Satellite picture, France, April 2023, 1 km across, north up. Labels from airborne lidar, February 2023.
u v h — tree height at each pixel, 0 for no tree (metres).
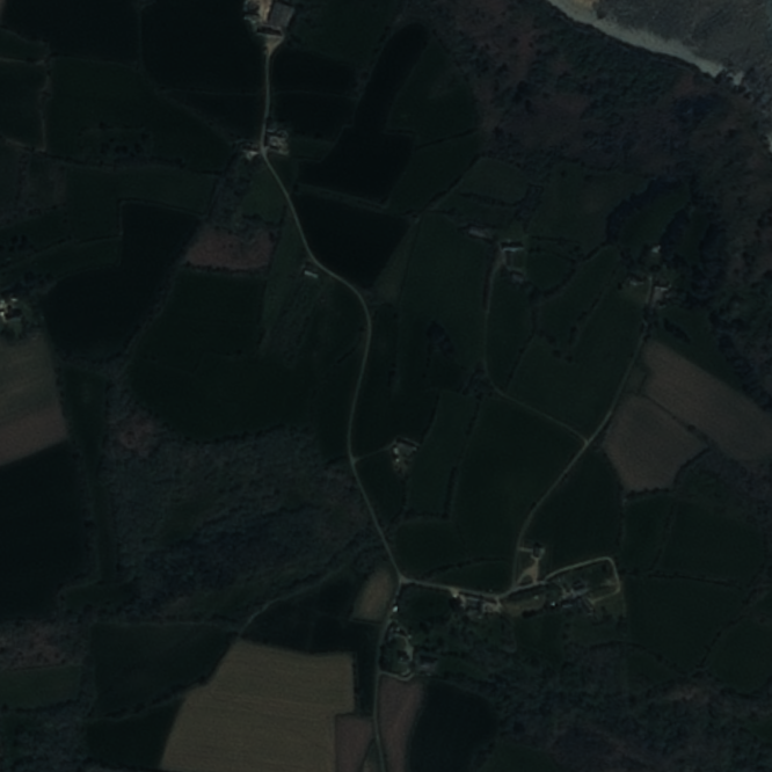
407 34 0
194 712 0
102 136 0
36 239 0
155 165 7
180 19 0
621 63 10
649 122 0
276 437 9
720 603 0
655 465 0
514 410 0
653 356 0
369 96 0
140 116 0
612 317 0
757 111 0
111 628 0
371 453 0
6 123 0
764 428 0
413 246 0
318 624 0
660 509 0
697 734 20
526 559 0
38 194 0
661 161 0
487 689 11
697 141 0
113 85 0
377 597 0
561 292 8
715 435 0
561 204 0
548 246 0
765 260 0
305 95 0
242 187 9
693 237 0
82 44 0
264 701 0
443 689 0
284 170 0
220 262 0
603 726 15
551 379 0
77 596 0
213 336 0
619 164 0
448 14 9
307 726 0
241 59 0
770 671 0
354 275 0
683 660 0
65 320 0
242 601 0
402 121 0
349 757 0
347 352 0
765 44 0
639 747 22
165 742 0
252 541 13
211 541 12
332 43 0
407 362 0
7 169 0
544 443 0
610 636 0
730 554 0
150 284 0
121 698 0
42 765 16
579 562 0
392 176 0
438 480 0
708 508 0
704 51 0
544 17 5
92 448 0
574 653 9
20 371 0
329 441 0
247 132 0
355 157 0
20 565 0
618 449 0
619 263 11
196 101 0
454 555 0
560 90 6
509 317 0
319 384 0
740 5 0
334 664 0
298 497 0
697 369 0
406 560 0
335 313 0
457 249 0
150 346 0
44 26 0
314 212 0
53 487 0
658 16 0
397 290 0
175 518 0
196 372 0
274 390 0
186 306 0
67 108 0
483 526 0
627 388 0
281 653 0
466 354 0
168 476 7
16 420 0
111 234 0
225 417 0
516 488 0
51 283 10
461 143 0
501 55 7
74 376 0
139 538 8
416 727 0
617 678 16
